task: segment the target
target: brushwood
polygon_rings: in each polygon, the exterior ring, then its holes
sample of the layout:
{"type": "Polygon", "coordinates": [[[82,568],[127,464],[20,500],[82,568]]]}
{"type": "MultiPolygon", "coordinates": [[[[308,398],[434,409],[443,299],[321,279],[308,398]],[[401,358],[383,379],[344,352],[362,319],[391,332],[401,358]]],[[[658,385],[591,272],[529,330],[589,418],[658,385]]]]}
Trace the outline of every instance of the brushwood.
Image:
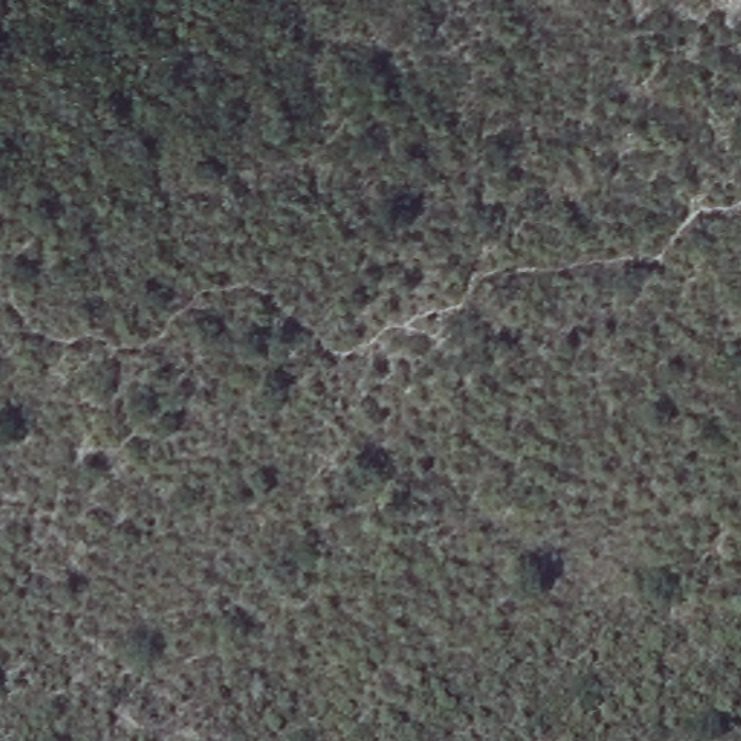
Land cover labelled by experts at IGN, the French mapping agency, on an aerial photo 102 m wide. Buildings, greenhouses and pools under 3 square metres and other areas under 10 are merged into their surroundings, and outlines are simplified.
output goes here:
{"type": "Polygon", "coordinates": [[[0,741],[741,741],[741,0],[0,0],[0,741]]]}

